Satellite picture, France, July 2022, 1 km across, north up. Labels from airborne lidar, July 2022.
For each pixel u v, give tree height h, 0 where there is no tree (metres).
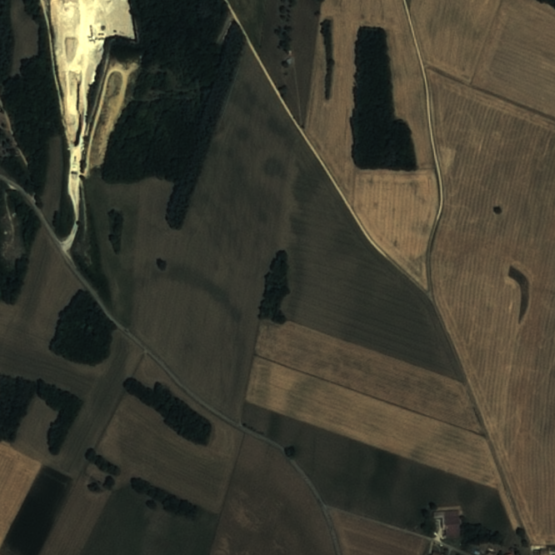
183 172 19
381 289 0
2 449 0
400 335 0
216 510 0
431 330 0
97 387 0
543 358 0
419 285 0
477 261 0
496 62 0
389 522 0
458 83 0
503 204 0
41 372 0
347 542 0
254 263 0
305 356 0
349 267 0
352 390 0
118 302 0
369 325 0
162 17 15
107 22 0
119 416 0
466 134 0
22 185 6
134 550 0
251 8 0
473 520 0
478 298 0
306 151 0
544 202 0
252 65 0
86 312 15
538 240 0
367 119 22
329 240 0
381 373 0
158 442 0
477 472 0
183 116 9
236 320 0
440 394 0
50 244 0
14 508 0
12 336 0
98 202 0
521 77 0
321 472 0
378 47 22
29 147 12
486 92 0
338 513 0
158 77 7
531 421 0
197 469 0
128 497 0
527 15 0
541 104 0
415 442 0
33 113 18
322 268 0
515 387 0
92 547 0
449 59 0
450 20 0
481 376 0
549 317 0
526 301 0
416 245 0
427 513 16
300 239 0
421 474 0
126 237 0
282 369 0
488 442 0
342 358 0
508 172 0
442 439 0
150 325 0
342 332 0
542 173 0
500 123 0
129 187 0
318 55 0
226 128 0
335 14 0
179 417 12
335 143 0
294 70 0
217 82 18
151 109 12
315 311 0
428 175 0
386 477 0
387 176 0
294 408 0
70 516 0
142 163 8
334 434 0
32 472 0
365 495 0
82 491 0
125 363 0
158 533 0
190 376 0
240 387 0
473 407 0
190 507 12
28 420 0
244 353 0
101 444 0
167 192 0
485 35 0
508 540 0
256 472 0
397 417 0
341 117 0
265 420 0
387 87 23
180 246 0
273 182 0
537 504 0
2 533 0
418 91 0
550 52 0
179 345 0
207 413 0
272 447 0
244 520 0
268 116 0
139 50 11
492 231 0
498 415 0
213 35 14
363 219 0
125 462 0
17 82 21
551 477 0
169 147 17
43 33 15
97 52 0
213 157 0
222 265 0
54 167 0
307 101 0
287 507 0
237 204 0
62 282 0
